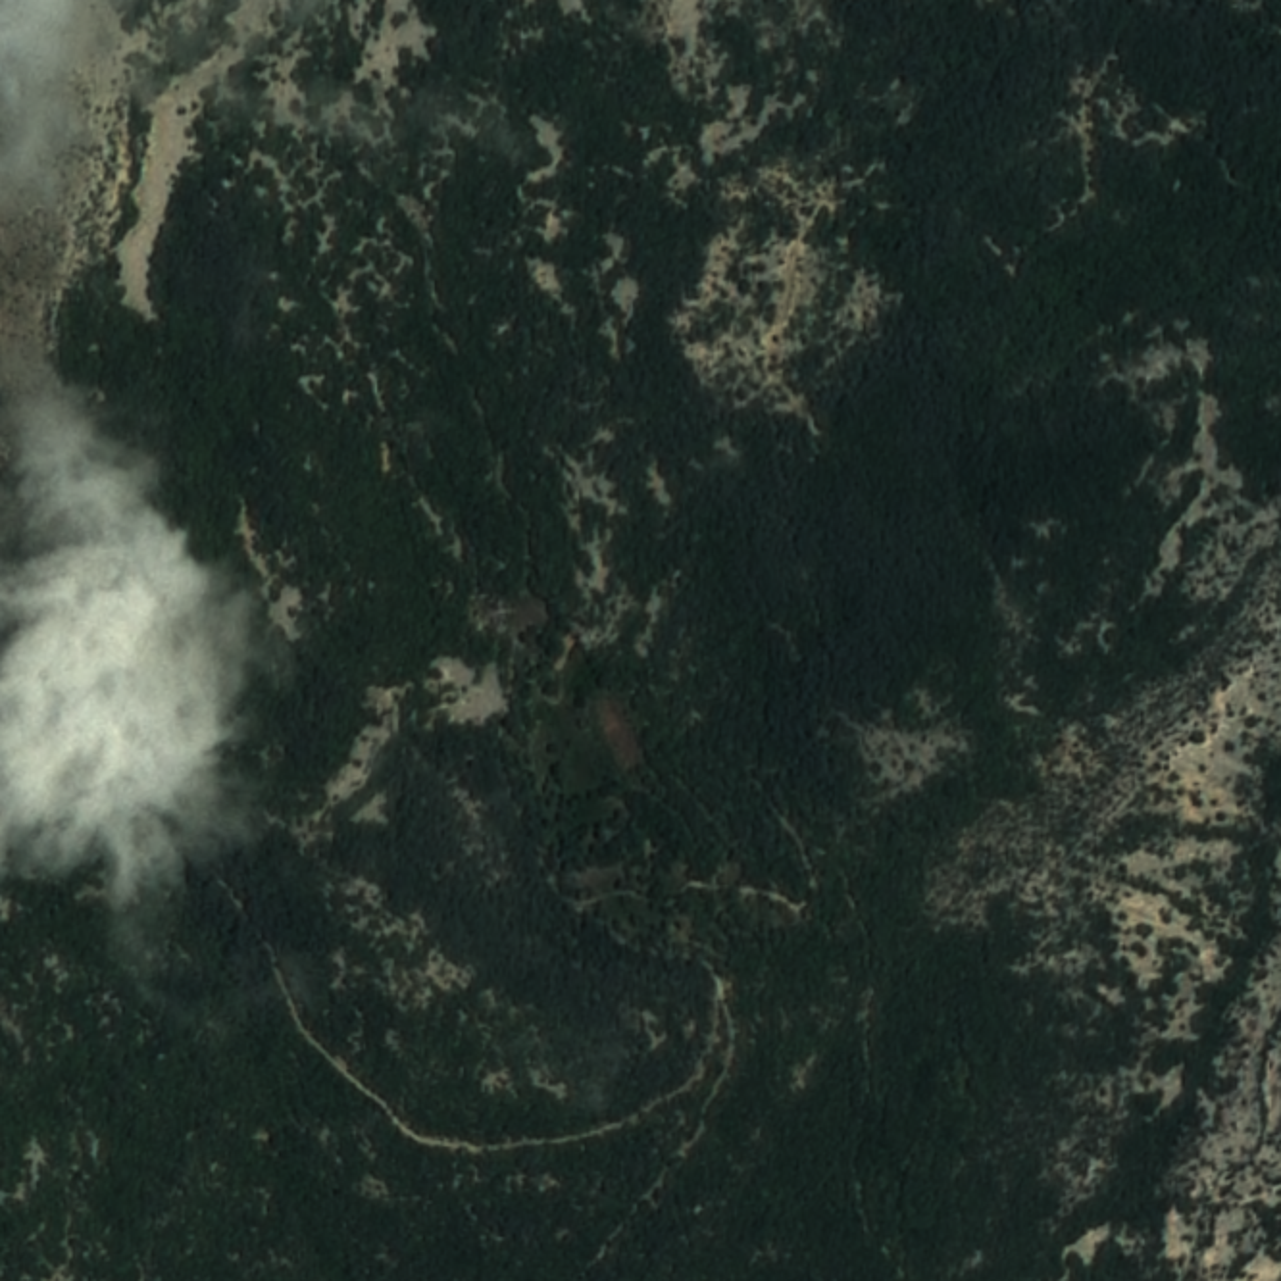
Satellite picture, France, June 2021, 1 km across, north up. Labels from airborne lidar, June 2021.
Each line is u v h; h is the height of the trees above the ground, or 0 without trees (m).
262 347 11
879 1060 9
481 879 7
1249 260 11
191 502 12
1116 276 8
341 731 9
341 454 9
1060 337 8
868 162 9
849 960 9
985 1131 5
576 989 10
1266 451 9
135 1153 7
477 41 9
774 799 8
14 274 0
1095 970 8
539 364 7
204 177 7
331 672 8
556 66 9
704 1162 7
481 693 0
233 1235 8
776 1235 7
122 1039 7
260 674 11
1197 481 7
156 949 8
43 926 8
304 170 5
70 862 11
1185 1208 6
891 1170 9
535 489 10
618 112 9
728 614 11
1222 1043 7
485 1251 9
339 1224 7
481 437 9
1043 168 9
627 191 12
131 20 10
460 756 8
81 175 0
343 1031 6
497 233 5
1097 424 10
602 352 5
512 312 7
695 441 11
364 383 7
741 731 8
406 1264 7
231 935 11
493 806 7
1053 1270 9
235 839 14
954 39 8
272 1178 6
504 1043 7
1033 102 7
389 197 7
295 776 9
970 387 17
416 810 9
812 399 6
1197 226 13
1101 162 8
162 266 12
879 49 9
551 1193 7
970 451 15
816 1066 8
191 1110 7
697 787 9
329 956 6
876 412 13
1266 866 7
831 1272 7
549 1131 6
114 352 8
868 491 10
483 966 13
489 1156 7
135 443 8
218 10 8
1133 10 12
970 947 8
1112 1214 10
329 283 6
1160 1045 7
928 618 11
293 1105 7
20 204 0
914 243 9
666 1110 8
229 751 7
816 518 14
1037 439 9
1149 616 9
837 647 10
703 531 11
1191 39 13
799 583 12
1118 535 7
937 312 9
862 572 14
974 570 10
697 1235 6
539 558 7
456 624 10
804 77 8
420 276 8
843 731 6
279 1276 7
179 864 10
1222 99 8
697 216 10
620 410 11
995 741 6
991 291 11
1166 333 7
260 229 11
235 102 6
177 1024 6
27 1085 6
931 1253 7
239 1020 7
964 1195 7
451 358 9
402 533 8
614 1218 7
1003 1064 14
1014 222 8
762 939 7
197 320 10
